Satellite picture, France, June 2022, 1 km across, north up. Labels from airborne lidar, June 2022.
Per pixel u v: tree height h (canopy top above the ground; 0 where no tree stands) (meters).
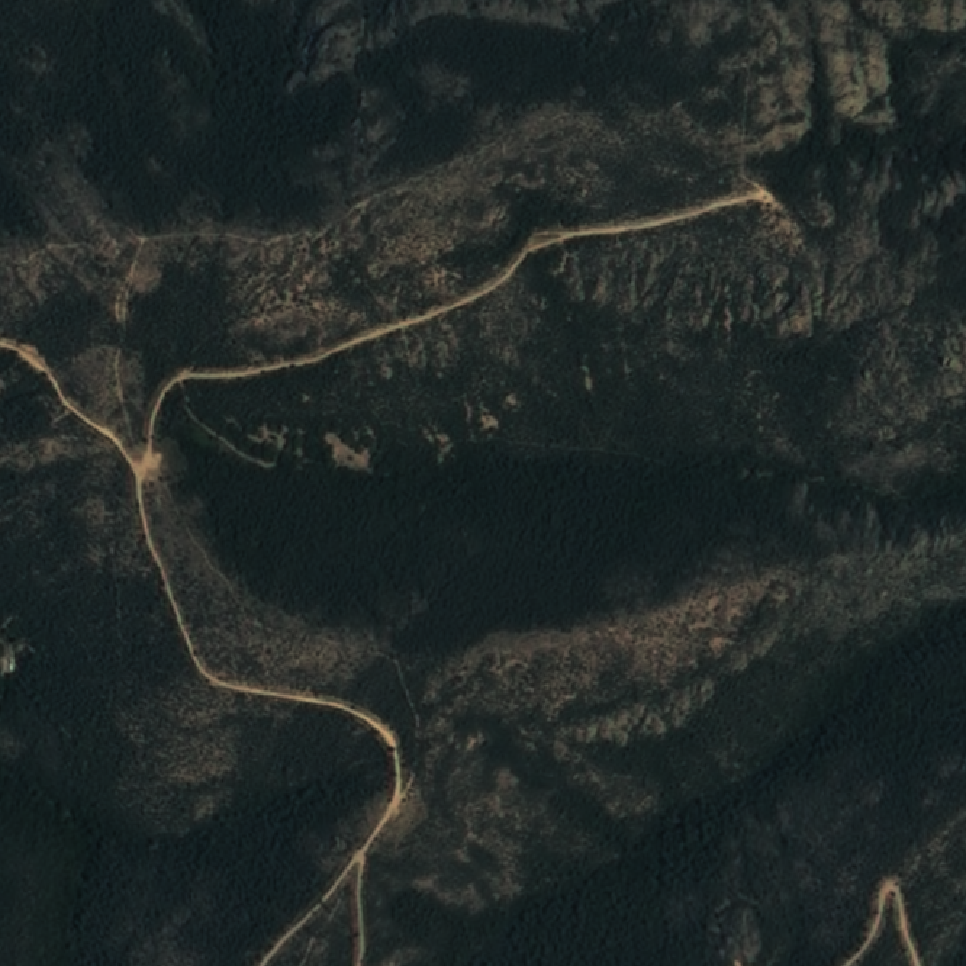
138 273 0
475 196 0
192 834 6
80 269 0
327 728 7
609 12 6
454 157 7
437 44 8
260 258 0
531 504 10
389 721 8
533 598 12
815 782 8
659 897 8
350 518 10
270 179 9
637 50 8
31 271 0
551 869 7
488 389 7
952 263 8
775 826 8
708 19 0
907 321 7
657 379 6
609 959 11
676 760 8
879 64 0
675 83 7
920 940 6
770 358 7
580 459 12
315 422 8
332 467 7
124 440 0
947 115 11
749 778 5
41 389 6
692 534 7
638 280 7
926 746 10
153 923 7
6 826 7
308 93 10
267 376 8
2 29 8
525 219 7
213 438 9
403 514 9
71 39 8
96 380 0
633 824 8
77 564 8
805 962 11
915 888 8
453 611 9
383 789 7
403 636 8
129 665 7
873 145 7
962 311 6
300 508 9
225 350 7
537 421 7
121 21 9
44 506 11
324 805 11
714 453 6
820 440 7
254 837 9
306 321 0
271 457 10
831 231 7
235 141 11
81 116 9
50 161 8
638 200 5
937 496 7
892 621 9
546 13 0
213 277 8
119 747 6
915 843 7
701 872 12
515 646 0
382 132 0
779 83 0
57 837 11
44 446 0
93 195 0
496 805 0
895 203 8
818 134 13
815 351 6
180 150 8
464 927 11
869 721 6
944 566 7
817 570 6
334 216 0
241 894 7
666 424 8
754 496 10
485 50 10
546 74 8
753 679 10
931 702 12
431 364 9
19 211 9
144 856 12
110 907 8
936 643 13
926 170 10
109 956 12
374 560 8
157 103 9
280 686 0
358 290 6
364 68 9
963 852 8
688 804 6
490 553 9
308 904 7
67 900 9
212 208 7
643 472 14
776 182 8
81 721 9
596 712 8
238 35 10
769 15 0
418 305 6
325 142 8
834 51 0
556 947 12
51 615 9
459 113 7
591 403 10
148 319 9
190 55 13
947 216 14
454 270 6
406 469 10
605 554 10
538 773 6
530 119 0
